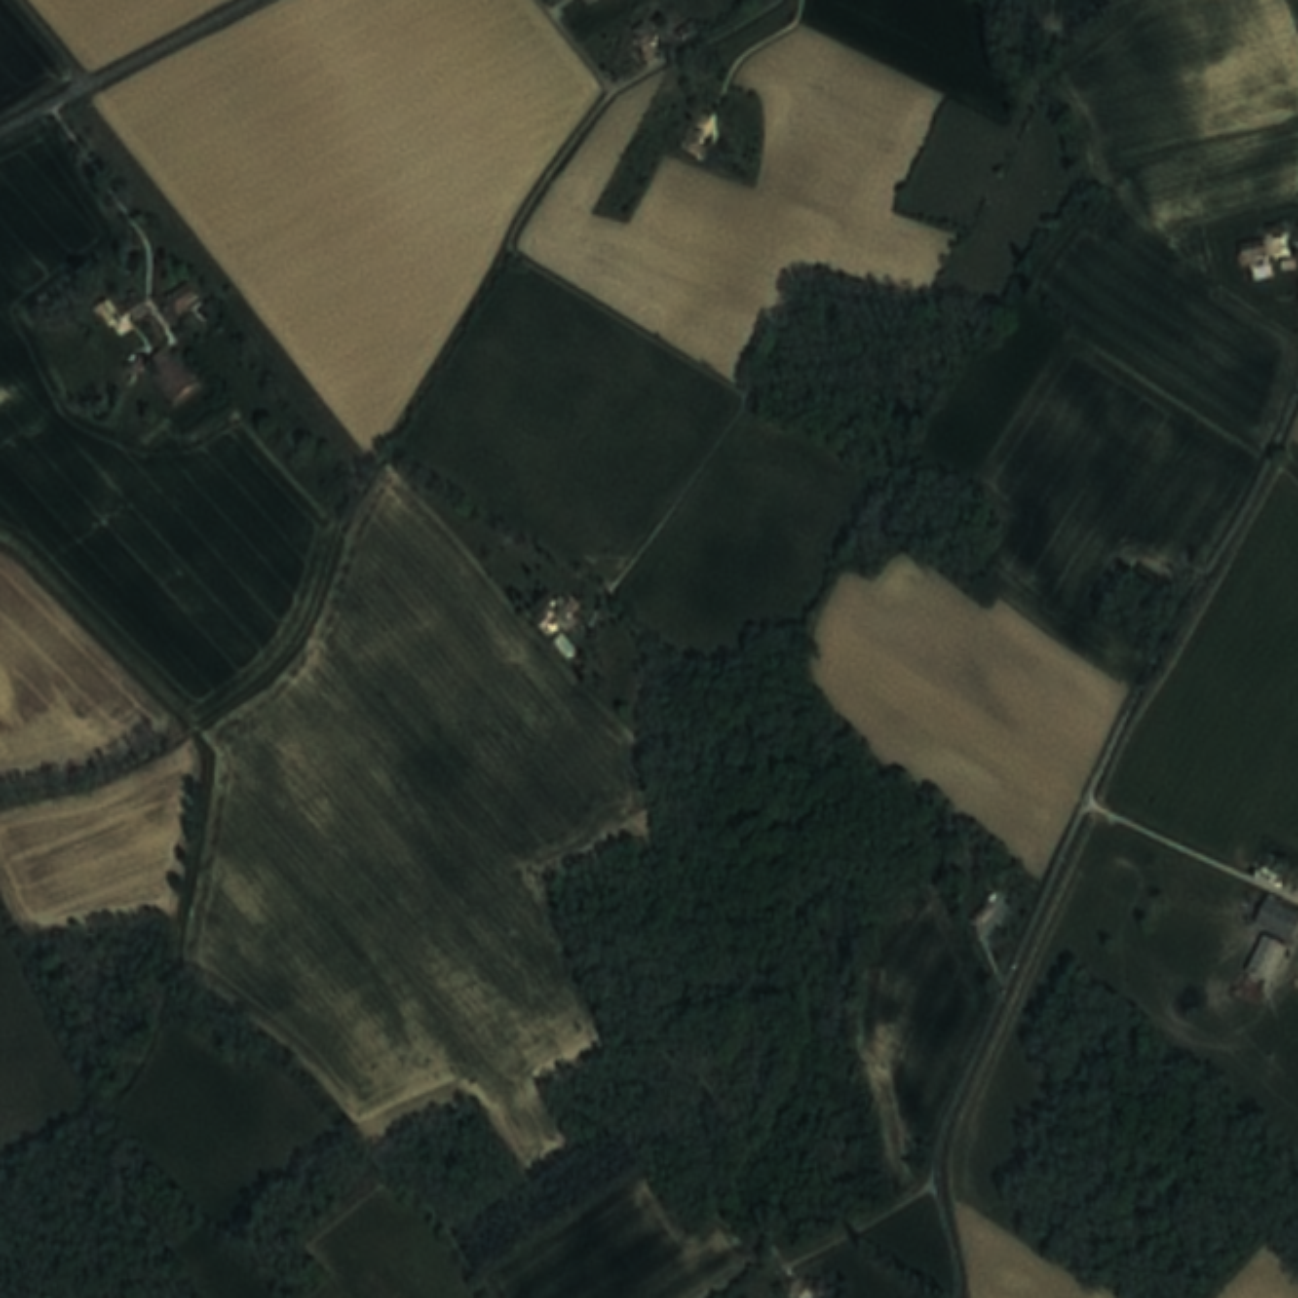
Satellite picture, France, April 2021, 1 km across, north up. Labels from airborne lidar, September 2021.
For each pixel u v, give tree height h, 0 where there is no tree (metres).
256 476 0
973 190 0
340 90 0
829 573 7
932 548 23
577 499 0
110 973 10
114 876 0
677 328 0
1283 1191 21
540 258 0
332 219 0
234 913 0
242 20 0
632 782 0
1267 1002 0
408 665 0
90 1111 15
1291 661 0
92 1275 20
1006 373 0
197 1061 0
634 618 9
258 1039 14
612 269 0
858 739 20
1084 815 0
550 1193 15
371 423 0
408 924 0
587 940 15
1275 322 0
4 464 0
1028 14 23
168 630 0
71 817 0
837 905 25
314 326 0
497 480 0
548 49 0
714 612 0
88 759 0
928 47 0
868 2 0
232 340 6
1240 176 0
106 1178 10
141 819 0
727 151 12
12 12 0
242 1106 0
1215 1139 24
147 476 0
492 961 0
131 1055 15
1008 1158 0
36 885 0
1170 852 0
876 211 0
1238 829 0
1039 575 0
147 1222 18
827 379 24
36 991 7
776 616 0
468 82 0
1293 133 0
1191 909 0
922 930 0
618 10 0
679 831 18
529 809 0
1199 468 0
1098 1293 17
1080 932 0
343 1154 17
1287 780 0
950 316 25
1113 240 0
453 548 0
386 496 0
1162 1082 24
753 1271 6
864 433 28
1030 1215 19
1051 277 0
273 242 0
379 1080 0
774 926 27
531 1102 0
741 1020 22
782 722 23
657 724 15
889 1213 0
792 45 0
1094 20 16
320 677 0
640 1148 18
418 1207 9
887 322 22
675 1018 16
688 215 0
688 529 0
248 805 0
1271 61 0
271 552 0
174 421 0
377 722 0
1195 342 0
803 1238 13
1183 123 0
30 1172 19
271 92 0
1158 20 0
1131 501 0
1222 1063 0
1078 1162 24
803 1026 23
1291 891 0
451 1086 0
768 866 24
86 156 15
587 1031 0
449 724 0
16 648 0
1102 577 0
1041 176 0
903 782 15
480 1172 21
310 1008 0
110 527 0
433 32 0
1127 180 0
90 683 0
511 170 0
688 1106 17
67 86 0
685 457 0
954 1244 0
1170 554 0
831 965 7
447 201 0
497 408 0
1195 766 0
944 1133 0
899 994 0
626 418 0
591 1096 19
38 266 0
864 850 27
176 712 0
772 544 0
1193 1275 14
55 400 0
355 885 0
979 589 10
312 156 0
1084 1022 24
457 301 0
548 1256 0
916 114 0
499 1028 0
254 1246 23
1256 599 0
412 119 0
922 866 22
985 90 0
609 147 0
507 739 0
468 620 0
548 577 0
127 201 16
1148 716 0
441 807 0
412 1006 0
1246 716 0
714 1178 19
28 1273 18
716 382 0
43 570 0
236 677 0
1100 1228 18
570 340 0
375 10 0
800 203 0
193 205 0
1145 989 0
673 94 0
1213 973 0
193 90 0
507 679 0
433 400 0
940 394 21
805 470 0
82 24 0
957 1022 0
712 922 23
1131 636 19
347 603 0
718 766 18
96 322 0
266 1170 0
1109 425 0
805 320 26
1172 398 0
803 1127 13
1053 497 0
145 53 0
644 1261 0
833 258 0
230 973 0
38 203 0
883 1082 0
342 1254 0
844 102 0
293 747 0
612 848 14
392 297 0
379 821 0
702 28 10
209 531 0
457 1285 0
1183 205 0
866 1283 0
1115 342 0
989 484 0
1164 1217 20
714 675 19
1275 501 0
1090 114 0
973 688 0
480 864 0
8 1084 0
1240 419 0
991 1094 0
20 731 0
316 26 0
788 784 29
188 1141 0
